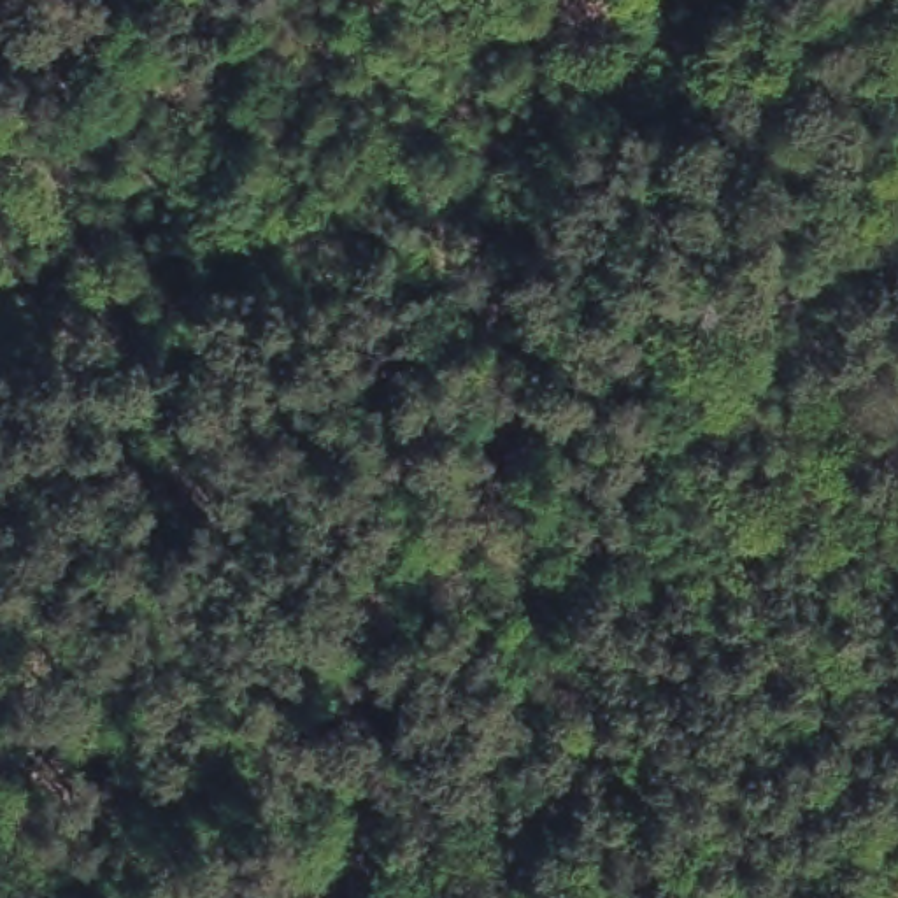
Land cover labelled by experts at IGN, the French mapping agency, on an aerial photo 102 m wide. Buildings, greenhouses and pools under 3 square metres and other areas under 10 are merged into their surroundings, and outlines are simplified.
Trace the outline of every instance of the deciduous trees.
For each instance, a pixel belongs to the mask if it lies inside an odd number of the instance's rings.
[[[319,670],[319,677],[340,684],[358,670],[358,656],[337,649]]]
[[[814,81],[828,84],[831,91],[863,95],[880,109],[884,123],[880,133],[870,133],[866,151],[884,147],[898,161],[898,28],[884,42],[842,49],[814,70]]]
[[[424,575],[442,575],[460,561],[453,551],[438,551],[435,537],[421,537],[396,565],[396,579],[403,586],[421,582]]]
[[[666,53],[656,42],[659,0],[158,0],[158,7],[147,18],[140,18],[137,25],[123,21],[116,35],[102,46],[98,74],[84,91],[81,105],[70,105],[60,119],[0,119],[0,284],[14,288],[18,281],[35,277],[49,260],[63,253],[74,228],[119,221],[123,200],[154,182],[168,182],[168,203],[179,207],[182,225],[189,228],[189,253],[242,253],[281,239],[302,239],[309,232],[326,228],[333,214],[351,214],[365,193],[386,182],[400,186],[400,193],[410,203],[442,210],[477,182],[488,137],[509,133],[516,116],[530,112],[526,98],[544,95],[558,109],[579,112],[596,91],[614,88],[628,70],[659,77]]]
[[[624,456],[674,456],[702,435],[730,435],[733,428],[740,428],[747,421],[747,410],[772,386],[775,358],[796,344],[796,326],[779,319],[779,291],[814,298],[838,274],[863,270],[873,260],[880,239],[898,239],[898,165],[880,179],[845,179],[835,186],[835,196],[828,200],[800,200],[800,207],[789,214],[793,232],[782,232],[782,249],[768,249],[768,256],[758,267],[740,267],[730,277],[730,291],[709,295],[705,281],[681,281],[684,260],[666,256],[663,270],[652,270],[652,281],[663,288],[663,302],[649,295],[628,295],[624,312],[614,319],[610,330],[621,344],[631,340],[631,347],[638,347],[638,365],[652,365],[652,403],[624,407],[614,417],[617,442],[589,453],[593,463],[621,467]]]
[[[326,891],[344,866],[354,821],[337,817],[326,828],[326,838],[319,838],[298,859],[302,891]]]
[[[421,866],[386,873],[386,866],[379,866],[368,884],[372,898],[435,898],[445,887],[445,877],[421,877]]]

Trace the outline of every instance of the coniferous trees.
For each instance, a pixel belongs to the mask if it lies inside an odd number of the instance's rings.
[[[140,18],[147,18],[158,7],[158,0],[0,0],[0,119],[60,119],[70,105],[81,105],[84,91],[98,74],[102,46],[116,35],[123,21],[137,25]]]
[[[793,232],[789,214],[800,207],[800,200],[828,200],[835,196],[835,186],[845,179],[880,179],[898,165],[898,161],[884,147],[866,151],[870,133],[880,133],[884,123],[880,109],[863,95],[831,91],[828,84],[814,81],[814,70],[842,49],[884,42],[898,28],[898,0],[659,0],[656,42],[666,53],[659,77],[628,70],[614,88],[596,91],[579,112],[558,109],[544,95],[526,98],[530,112],[516,116],[509,133],[488,137],[477,182],[442,210],[410,203],[400,193],[400,186],[386,182],[365,193],[351,214],[333,214],[326,228],[309,232],[302,239],[281,239],[242,253],[189,253],[189,228],[182,225],[179,207],[168,203],[168,182],[154,182],[123,200],[119,221],[74,228],[63,253],[49,260],[35,277],[18,281],[14,288],[0,284],[0,898],[372,898],[368,884],[379,866],[386,866],[386,873],[421,866],[421,877],[445,877],[445,887],[435,898],[898,898],[898,239],[880,239],[873,260],[863,270],[838,274],[814,298],[779,291],[779,319],[796,326],[796,344],[775,358],[772,386],[747,410],[747,421],[740,428],[733,428],[730,435],[702,435],[674,456],[624,456],[621,467],[593,463],[589,453],[617,442],[614,417],[624,407],[652,403],[652,365],[638,365],[638,347],[631,347],[631,340],[621,344],[610,330],[614,319],[624,312],[628,295],[649,295],[663,302],[663,288],[652,281],[652,270],[663,270],[666,256],[684,260],[681,281],[705,281],[709,295],[730,291],[730,277],[740,267],[758,267],[768,256],[768,249],[782,249],[782,232]],[[453,551],[460,561],[442,575],[424,575],[421,582],[403,586],[396,579],[396,565],[421,537],[435,537],[438,551]],[[358,656],[358,670],[340,684],[319,677],[319,670],[337,649]],[[354,821],[344,866],[326,891],[302,891],[298,859],[319,838],[326,838],[326,828],[337,817]]]

